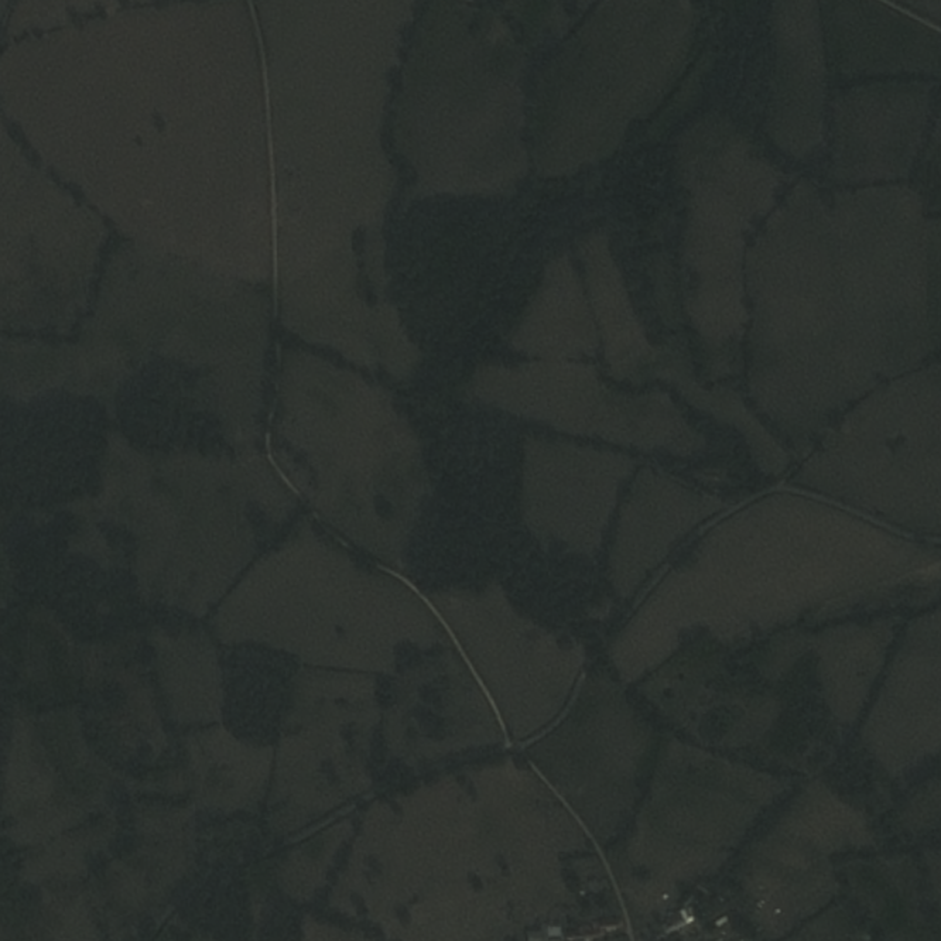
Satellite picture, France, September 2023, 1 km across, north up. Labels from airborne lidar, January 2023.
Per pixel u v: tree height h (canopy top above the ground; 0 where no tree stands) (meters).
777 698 0
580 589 18
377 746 14
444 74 0
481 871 0
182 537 0
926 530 0
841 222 0
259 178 0
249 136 0
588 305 0
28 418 17
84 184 0
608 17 0
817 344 0
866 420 0
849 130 0
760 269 0
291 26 0
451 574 18
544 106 0
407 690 0
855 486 0
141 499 0
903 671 0
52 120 0
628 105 0
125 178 0
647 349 0
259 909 0
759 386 0
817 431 0
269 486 0
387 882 0
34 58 0
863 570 0
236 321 0
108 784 0
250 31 0
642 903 0
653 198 17
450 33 0
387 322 0
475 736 0
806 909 0
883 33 0
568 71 0
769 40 10
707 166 0
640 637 0
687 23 0
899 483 0
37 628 0
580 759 0
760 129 14
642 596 0
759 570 0
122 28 0
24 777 0
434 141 0
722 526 0
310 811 0
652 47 0
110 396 0
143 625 19
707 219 0
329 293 0
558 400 0
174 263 0
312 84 0
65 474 21
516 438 13
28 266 0
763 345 0
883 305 0
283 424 0
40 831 0
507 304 17
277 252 0
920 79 6
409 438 0
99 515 0
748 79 20
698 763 0
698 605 0
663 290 0
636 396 8
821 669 0
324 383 0
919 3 0
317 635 0
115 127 0
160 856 0
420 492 0
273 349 7
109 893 0
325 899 14
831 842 0
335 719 0
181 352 0
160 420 15
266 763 0
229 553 0
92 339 0
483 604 0
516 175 0
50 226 0
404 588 0
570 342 0
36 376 0
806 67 0
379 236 0
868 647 0
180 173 0
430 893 0
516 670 0
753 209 0
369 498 0
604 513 0
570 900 0
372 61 0
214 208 0
